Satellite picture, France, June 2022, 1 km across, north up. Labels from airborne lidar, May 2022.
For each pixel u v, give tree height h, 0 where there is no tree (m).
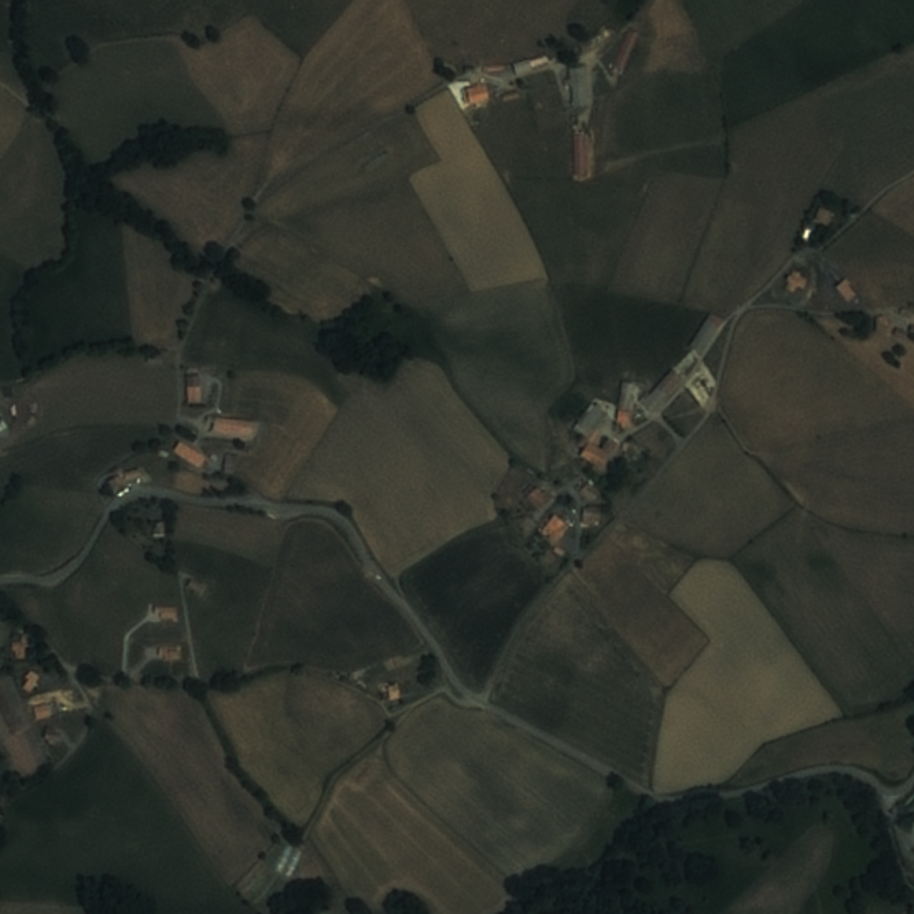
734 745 0
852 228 0
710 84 0
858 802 17
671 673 0
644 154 0
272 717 0
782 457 0
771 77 0
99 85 0
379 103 0
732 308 0
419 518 0
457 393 0
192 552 0
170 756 0
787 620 0
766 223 0
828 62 0
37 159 0
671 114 0
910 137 0
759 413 0
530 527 0
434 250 0
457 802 0
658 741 0
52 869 0
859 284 0
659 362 0
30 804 0
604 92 0
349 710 0
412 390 0
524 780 0
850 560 0
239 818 0
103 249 0
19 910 0
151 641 0
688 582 0
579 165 0
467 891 0
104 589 0
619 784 23
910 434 0
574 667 0
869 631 0
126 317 0
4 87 0
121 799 0
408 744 0
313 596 0
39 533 0
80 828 0
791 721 0
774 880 0
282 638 0
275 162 0
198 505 0
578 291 0
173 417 0
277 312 9
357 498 0
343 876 0
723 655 0
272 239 0
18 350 11
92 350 13
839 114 0
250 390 0
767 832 0
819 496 0
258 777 0
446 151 0
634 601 0
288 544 0
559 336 0
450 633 0
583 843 0
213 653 0
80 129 0
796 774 0
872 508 0
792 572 0
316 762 0
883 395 0
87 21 0
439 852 0
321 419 0
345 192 0
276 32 0
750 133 0
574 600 0
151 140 14
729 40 0
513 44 0
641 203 0
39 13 0
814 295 0
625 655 0
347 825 0
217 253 17
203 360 0
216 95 0
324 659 0
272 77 0
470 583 0
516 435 0
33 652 14
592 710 0
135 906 19
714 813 21
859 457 0
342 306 0
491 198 0
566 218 0
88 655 0
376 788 0
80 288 0
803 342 0
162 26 0
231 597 0
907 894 17
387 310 0
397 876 0
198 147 10
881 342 0
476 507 0
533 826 0
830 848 0
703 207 0
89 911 17
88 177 21
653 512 0
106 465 0
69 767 0
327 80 0
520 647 0
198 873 0
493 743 0
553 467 0
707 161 0
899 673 0
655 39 0
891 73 0
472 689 0
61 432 0
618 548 0
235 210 0
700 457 0
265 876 0
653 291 0
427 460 0
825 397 0
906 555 0
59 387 0
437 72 14
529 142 0
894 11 0
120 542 0
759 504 0
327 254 0
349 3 0
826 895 0
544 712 0
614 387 0
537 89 0
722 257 0
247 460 0
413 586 0
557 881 18
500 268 0
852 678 0
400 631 0
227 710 0
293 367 0
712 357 0
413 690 0
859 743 0
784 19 0
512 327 0
